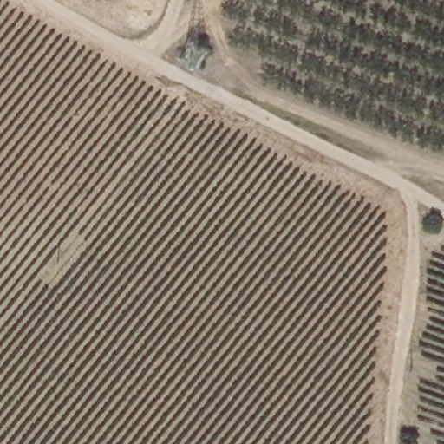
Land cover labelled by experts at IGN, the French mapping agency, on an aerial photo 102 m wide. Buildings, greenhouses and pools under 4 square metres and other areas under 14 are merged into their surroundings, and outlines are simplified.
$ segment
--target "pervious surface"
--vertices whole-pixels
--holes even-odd
[[[444,201],[408,180],[383,168],[380,161],[366,160],[349,151],[343,151],[316,135],[309,134],[304,128],[295,127],[290,121],[281,120],[245,99],[239,99],[231,94],[234,88],[243,88],[246,94],[250,94],[262,83],[262,59],[258,49],[250,50],[238,45],[229,45],[225,35],[236,26],[236,19],[229,19],[222,14],[222,3],[225,0],[165,0],[161,14],[165,14],[165,19],[153,35],[142,40],[125,40],[95,26],[94,23],[75,14],[73,10],[62,7],[61,3],[55,0],[35,0],[43,10],[61,17],[64,26],[68,28],[64,35],[75,38],[76,42],[85,45],[85,49],[97,50],[102,59],[116,62],[116,66],[125,68],[130,59],[137,59],[153,68],[158,75],[166,76],[175,82],[186,83],[201,94],[222,102],[231,111],[246,114],[272,130],[307,144],[330,158],[347,163],[359,172],[368,173],[371,177],[385,182],[387,186],[399,189],[408,208],[408,250],[388,385],[385,444],[399,444],[399,430],[404,427],[401,423],[402,380],[408,359],[411,331],[415,323],[416,297],[420,290],[418,241],[423,231],[421,219],[430,212],[430,208],[437,208],[442,219],[444,219]]]

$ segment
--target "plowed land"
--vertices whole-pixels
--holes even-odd
[[[295,45],[298,54],[304,54],[305,43],[309,40],[310,24],[304,17],[295,17],[293,23],[298,31],[295,38],[291,38],[277,35],[274,29],[255,24],[253,17],[236,19],[236,26],[248,26],[253,33],[272,36],[272,42],[276,42],[277,45]]]
[[[75,14],[94,23],[95,26],[125,40],[142,40],[153,35],[165,19],[165,14],[161,14],[165,0],[55,0],[61,3],[62,7],[73,10]]]
[[[206,114],[210,121],[220,121],[224,123],[224,127],[241,130],[251,139],[257,139],[258,146],[271,149],[277,156],[284,156],[286,151],[290,151],[297,156],[297,161],[293,165],[298,166],[300,170],[316,175],[316,179],[323,182],[340,186],[343,191],[352,191],[364,196],[368,203],[380,206],[385,212],[387,246],[383,250],[387,272],[383,276],[385,288],[380,293],[382,305],[378,309],[382,321],[376,324],[380,336],[376,338],[376,366],[371,371],[375,385],[371,387],[373,401],[369,402],[373,415],[368,418],[371,427],[366,434],[368,444],[385,444],[388,385],[408,250],[408,208],[399,189],[387,186],[385,182],[371,177],[368,173],[359,172],[347,163],[330,158],[307,144],[272,130],[246,114],[231,111],[222,102],[201,94],[186,83],[175,82],[166,76],[158,75],[153,68],[137,59],[130,59],[125,68],[132,71],[132,75],[146,80],[146,83],[153,85],[154,88],[158,87],[158,83],[163,83],[165,87],[161,88],[161,94],[186,102],[186,108],[180,109],[180,113],[189,111]]]
[[[382,151],[387,154],[387,160],[380,161],[383,168],[408,180],[411,175],[416,175],[423,180],[435,179],[444,182],[444,154],[434,153],[430,147],[409,146],[408,142],[402,142],[401,137],[392,137],[388,132],[378,132],[375,128],[369,128],[368,123],[364,121],[347,120],[336,114],[326,114],[323,108],[312,109],[309,102],[305,102],[304,95],[293,94],[291,90],[271,90],[262,83],[250,94],[288,113],[297,114],[305,120],[330,128],[333,132],[359,140],[364,146]]]
[[[444,219],[442,219],[441,231],[437,234],[423,231],[418,241],[420,290],[416,297],[415,323],[411,331],[408,359],[402,380],[401,423],[404,427],[418,428],[418,444],[444,444],[444,427],[437,423],[418,420],[416,409],[420,401],[420,378],[434,382],[437,378],[437,362],[425,359],[420,354],[420,336],[423,335],[430,319],[427,309],[428,260],[432,251],[439,251],[441,246],[444,246]]]
[[[47,24],[64,35],[68,28],[64,26],[61,17],[43,10],[35,0],[7,0],[12,7],[21,7],[26,14],[40,19],[36,29],[42,29],[43,24]]]

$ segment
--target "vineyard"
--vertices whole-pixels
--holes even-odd
[[[376,338],[380,336],[376,324],[382,321],[378,309],[382,305],[380,293],[385,288],[383,276],[387,272],[383,250],[387,246],[385,212],[380,206],[368,203],[364,196],[352,191],[343,191],[340,186],[323,182],[316,179],[316,175],[300,170],[298,166],[293,165],[297,161],[297,156],[290,151],[286,151],[284,156],[277,156],[271,149],[258,146],[257,139],[251,139],[241,130],[224,127],[224,123],[220,121],[210,121],[206,114],[189,111],[180,113],[180,109],[186,108],[186,102],[161,94],[161,88],[165,87],[163,83],[158,83],[158,87],[154,88],[153,85],[146,83],[146,80],[132,75],[132,71],[125,68],[116,66],[116,62],[102,59],[97,50],[85,49],[85,45],[76,42],[75,38],[64,35],[47,24],[43,24],[42,29],[36,29],[40,19],[26,14],[21,7],[12,7],[7,0],[0,0],[0,444],[368,444],[366,434],[371,427],[368,418],[373,415],[369,402],[373,401],[371,387],[375,385],[371,371],[376,366]]]
[[[434,382],[420,378],[420,401],[416,409],[418,420],[437,423],[444,427],[444,246],[441,246],[439,251],[432,251],[428,260],[427,309],[430,319],[423,335],[420,336],[420,354],[425,359],[437,362],[437,378]]]

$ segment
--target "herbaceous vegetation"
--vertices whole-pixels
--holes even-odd
[[[411,175],[408,180],[444,201],[444,182],[435,179],[423,180],[416,175]]]
[[[387,154],[382,151],[364,146],[359,140],[333,132],[330,128],[305,120],[297,114],[288,113],[250,94],[246,94],[243,88],[234,88],[231,94],[239,99],[245,99],[281,120],[290,121],[295,127],[304,128],[309,134],[316,135],[343,151],[349,151],[366,160],[380,161],[387,160]]]

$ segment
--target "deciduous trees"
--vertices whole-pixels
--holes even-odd
[[[437,234],[441,231],[442,219],[437,208],[430,208],[430,212],[421,219],[423,231]]]
[[[399,430],[399,444],[418,444],[418,428],[404,427]]]
[[[236,19],[253,17],[255,24],[274,29],[277,35],[291,38],[295,38],[298,31],[293,23],[295,17],[304,17],[310,24],[309,40],[305,43],[304,54],[298,54],[295,45],[277,45],[276,42],[272,42],[272,36],[253,33],[248,26],[236,26],[225,35],[229,45],[238,45],[250,50],[258,49],[262,59],[262,83],[271,90],[291,90],[293,94],[304,95],[305,102],[309,102],[312,109],[323,108],[326,114],[336,114],[347,120],[364,121],[368,123],[369,128],[375,128],[378,132],[388,132],[392,137],[401,137],[402,142],[408,142],[409,146],[430,147],[434,153],[444,154],[444,0],[225,0],[222,3],[222,14],[229,19]]]

